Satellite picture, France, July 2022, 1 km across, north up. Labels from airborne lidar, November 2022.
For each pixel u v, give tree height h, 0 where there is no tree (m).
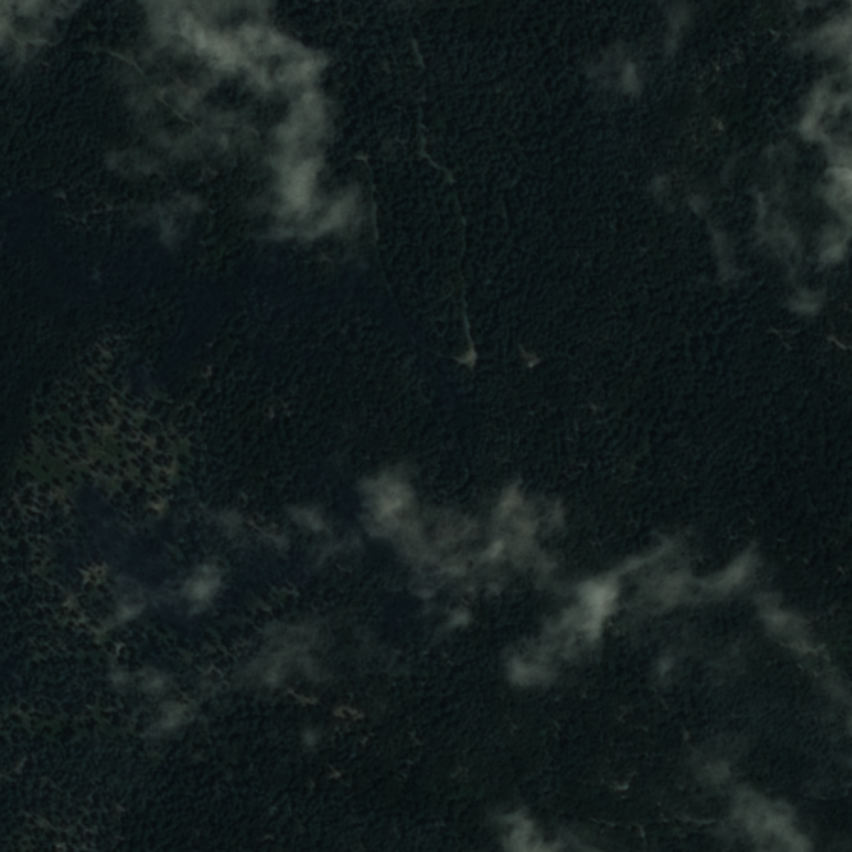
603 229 17
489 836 15
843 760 23
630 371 12
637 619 29
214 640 24
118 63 20
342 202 13
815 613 23
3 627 18
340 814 26
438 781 19
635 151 13
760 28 30
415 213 22
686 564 23
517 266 25
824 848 17
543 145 21
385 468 20
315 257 19
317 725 21
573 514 19
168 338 18
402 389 21
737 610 17
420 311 19
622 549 20
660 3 27
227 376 27
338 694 13
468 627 18
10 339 27
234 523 24
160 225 24
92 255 17
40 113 19
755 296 22
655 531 25
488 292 23
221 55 22
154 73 21
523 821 21
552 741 22
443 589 15
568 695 18
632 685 21
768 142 22
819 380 13
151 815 20
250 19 22
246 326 24
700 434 20
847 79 25
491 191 23
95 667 25
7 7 20
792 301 18
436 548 23
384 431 20
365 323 21
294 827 19
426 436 25
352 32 19
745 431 19
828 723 15
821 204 27
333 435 23
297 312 17
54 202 18
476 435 19
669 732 16
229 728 21
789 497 24
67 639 22
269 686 9
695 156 23
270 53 22
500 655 31
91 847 13
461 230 13
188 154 21
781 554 17
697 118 17
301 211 19
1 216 27
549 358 15
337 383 21
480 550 22
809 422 20
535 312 18
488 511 21
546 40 27
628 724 8
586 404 21
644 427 19
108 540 0
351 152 17
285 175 20
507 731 15
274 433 9
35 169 18
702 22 25
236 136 15
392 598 29
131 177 20
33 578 21
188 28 29
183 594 24
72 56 8
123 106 18
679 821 10
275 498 18
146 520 28
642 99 15
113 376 16
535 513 19
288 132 15
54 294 19
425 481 25
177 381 23
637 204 21
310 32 23
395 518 25
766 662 11
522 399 14
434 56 21
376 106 22
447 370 26
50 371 24
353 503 21
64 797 18
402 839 14
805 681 19
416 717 23
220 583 17
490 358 17
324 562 22
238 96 18
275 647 14
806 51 23
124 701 26
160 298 18
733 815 11
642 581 29
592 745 13
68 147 14
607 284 24
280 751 20
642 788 13
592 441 26
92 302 25
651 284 23
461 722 25
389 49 23
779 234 19
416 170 19
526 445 23
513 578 22
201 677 30
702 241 28
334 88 28
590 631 8
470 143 24
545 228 18
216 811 17
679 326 26
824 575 20
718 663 17
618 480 18
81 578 26
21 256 21
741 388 21
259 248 25
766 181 19
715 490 14
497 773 21
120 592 0
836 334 18
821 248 17
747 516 13
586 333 23
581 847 23
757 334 16
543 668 23
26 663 29
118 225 19
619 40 23
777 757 16
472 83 16
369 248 17
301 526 19
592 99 28
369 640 28
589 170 21
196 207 21
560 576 9
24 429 20
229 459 27
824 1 28
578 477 25
